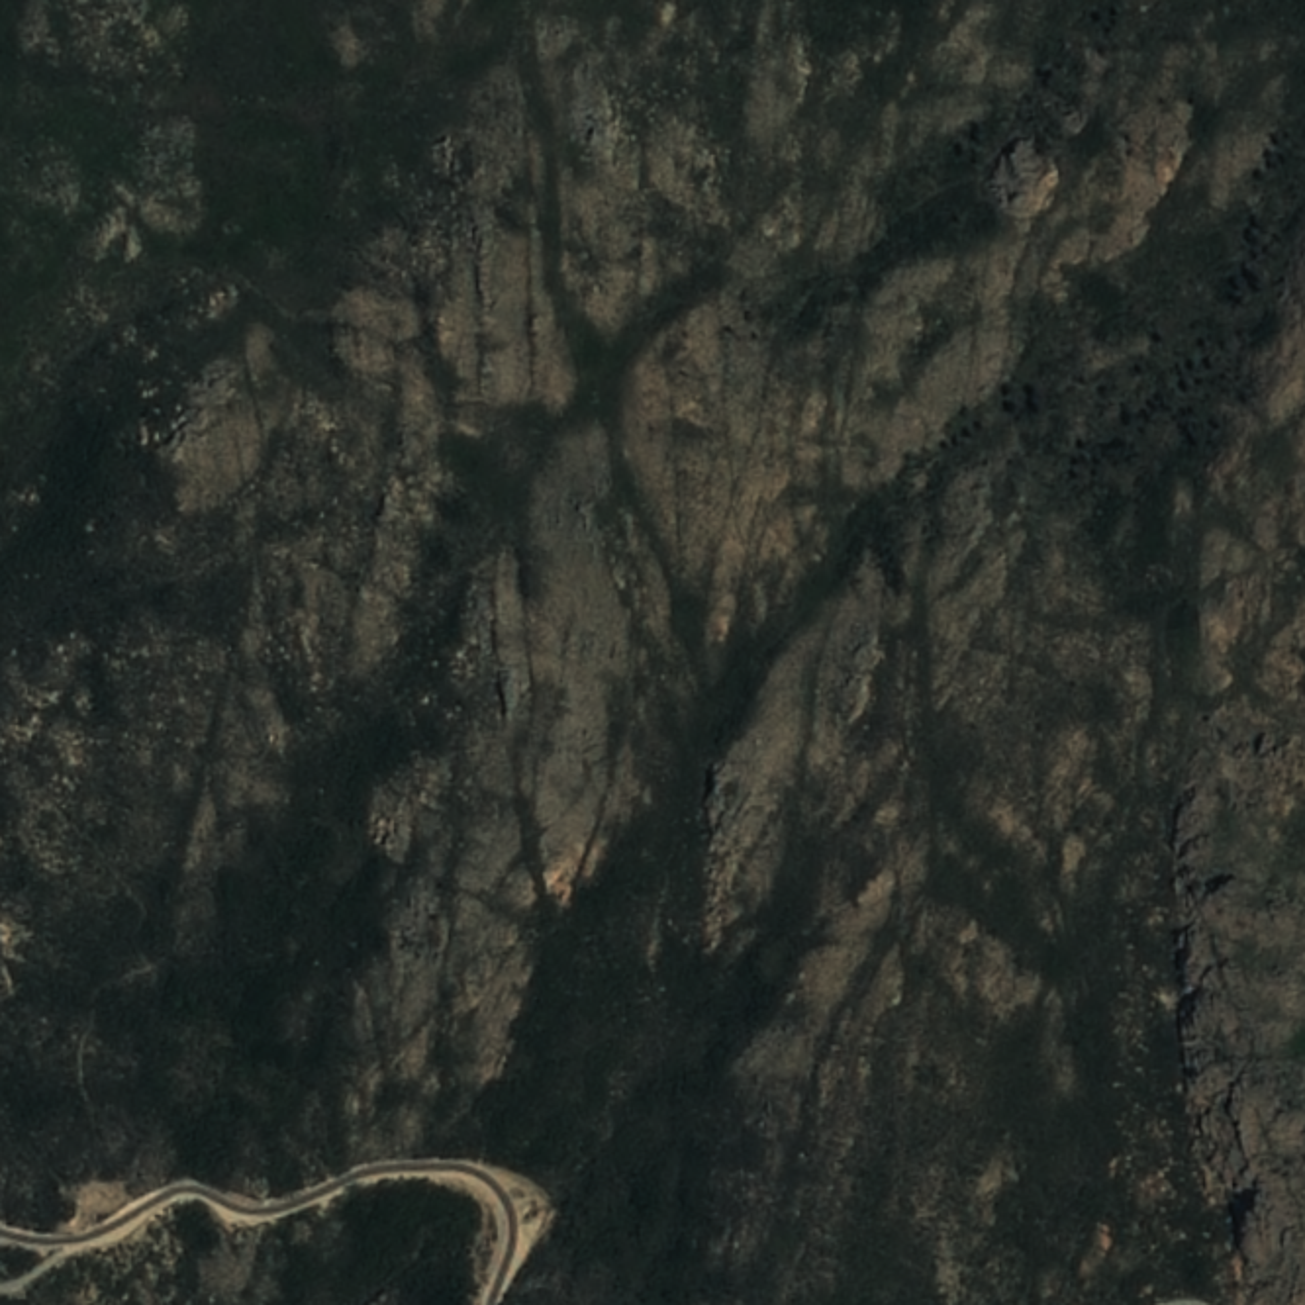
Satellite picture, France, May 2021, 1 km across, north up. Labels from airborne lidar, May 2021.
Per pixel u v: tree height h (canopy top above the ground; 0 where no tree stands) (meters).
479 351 0
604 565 0
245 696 0
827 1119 0
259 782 0
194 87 0
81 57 0
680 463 0
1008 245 0
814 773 0
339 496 0
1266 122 0
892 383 0
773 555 0
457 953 0
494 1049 0
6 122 0
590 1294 0
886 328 0
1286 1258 0
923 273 0
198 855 0
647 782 0
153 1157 0
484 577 0
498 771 0
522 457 0
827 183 0
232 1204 0
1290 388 0
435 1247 6
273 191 0
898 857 0
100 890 0
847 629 0
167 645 0
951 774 0
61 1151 0
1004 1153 0
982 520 0
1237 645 0
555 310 0
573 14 0
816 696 0
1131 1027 0
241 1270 0
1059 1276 0
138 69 0
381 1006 0
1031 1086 0
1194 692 0
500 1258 0
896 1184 0
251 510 0
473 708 0
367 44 0
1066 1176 0
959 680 0
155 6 0
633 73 0
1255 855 0
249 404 0
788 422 0
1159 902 0
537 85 0
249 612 0
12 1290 0
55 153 0
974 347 0
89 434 6
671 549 0
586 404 0
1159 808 0
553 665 0
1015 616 0
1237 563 0
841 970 0
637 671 0
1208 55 0
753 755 0
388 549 0
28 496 0
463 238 0
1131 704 0
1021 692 0
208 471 0
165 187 0
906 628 0
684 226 0
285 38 0
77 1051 0
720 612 0
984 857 0
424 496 0
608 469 0
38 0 0
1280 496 0
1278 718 0
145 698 0
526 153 0
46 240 0
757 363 0
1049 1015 0
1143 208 0
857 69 0
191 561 0
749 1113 0
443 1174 0
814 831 0
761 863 0
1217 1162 0
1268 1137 0
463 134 0
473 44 0
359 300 0
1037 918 0
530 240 0
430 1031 0
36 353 0
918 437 0
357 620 0
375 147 0
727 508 0
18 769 0
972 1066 0
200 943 0
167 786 0
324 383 0
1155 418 20
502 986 0
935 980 0
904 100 0
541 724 0
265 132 0
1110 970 0
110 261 0
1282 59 0
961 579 0
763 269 0
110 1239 0
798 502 0
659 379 0
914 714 0
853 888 0
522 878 0
